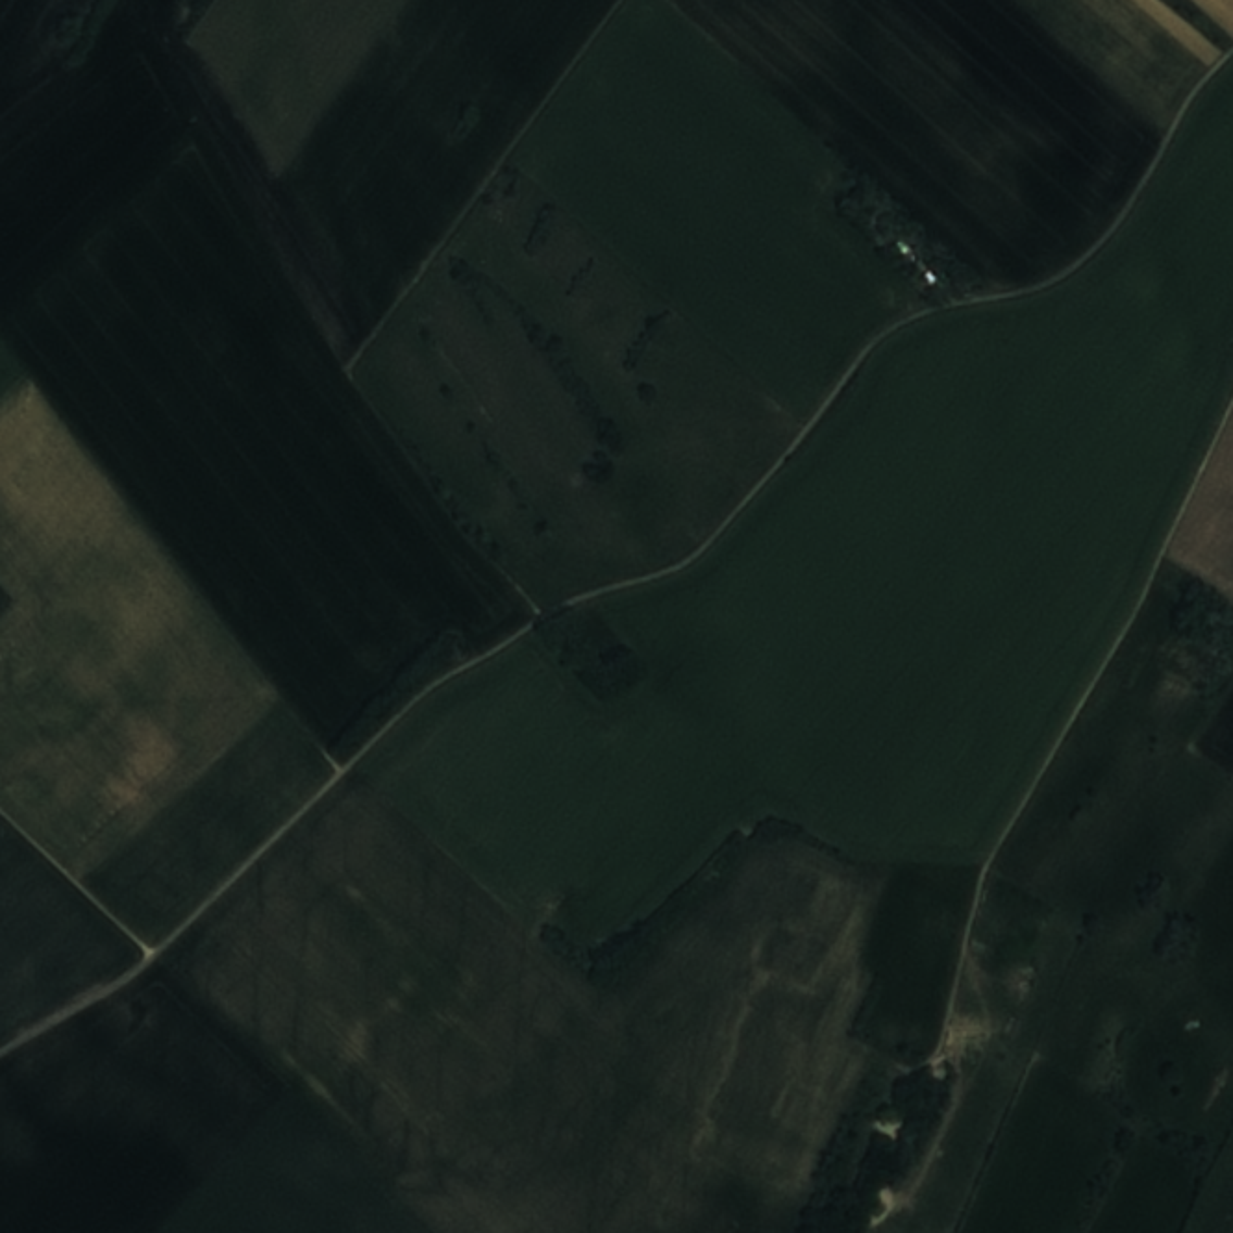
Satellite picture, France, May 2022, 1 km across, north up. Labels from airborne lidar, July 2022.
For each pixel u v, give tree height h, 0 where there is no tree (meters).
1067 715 0
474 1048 0
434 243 0
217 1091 0
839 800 0
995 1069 0
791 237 0
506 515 0
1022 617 0
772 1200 0
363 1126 0
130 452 0
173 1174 0
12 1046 0
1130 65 0
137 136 0
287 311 0
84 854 0
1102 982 0
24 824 0
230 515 0
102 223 0
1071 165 0
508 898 0
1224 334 0
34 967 0
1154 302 0
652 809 0
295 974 0
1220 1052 0
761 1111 0
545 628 15
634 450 0
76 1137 0
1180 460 0
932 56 0
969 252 0
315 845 0
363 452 0
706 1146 0
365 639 0
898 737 0
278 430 0
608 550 0
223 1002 0
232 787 0
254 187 0
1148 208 0
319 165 0
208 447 0
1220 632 17
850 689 0
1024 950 0
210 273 0
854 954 0
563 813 0
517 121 0
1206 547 0
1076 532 0
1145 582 0
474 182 0
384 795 0
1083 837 0
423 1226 0
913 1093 17
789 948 0
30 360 0
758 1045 0
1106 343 0
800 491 0
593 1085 0
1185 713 0
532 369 0
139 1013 0
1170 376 0
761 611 0
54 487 0
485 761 0
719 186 0
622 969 17
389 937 0
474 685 0
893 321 0
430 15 0
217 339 0
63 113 0
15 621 0
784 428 0
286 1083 0
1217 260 0
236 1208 0
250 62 0
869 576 0
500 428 0
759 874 0
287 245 0
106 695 0
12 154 0
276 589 0
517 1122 0
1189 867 0
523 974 0
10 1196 0
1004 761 0
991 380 0
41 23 0
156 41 0
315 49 0
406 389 0
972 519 0
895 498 0
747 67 0
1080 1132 0
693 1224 0
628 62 0
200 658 0
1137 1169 0
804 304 0
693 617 0
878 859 0
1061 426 0
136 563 0
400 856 0
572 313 0
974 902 0
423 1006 0
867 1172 12
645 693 0
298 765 0
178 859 0
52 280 0
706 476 0
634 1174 0
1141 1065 0
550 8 0
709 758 0
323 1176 0
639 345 6
